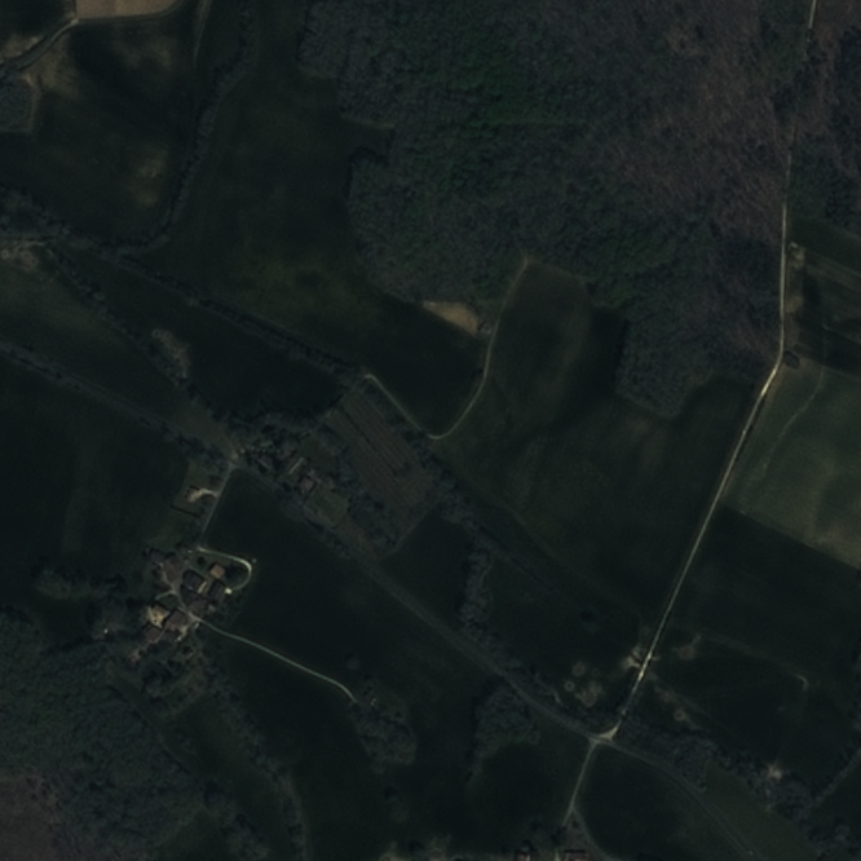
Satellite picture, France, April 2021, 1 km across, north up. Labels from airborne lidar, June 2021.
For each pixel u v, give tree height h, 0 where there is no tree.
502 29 18
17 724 17
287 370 0
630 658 0
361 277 0
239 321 12
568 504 0
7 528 0
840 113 17
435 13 23
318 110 0
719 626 0
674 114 17
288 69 0
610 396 0
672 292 23
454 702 0
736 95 19
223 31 0
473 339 0
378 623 0
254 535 0
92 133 0
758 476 0
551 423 0
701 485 0
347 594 0
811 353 0
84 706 20
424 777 0
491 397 0
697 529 0
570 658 0
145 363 0
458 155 12
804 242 0
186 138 0
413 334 0
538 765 0
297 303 0
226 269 0
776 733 0
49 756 15
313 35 16
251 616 0
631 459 0
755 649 0
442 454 0
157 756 21
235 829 17
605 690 0
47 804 9
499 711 25
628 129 21
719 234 24
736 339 21
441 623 0
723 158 14
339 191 0
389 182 19
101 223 0
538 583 0
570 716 14
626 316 18
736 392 0
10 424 0
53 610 0
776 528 0
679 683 0
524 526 0
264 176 0
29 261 0
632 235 21
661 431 0
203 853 0
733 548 0
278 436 11
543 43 16
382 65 16
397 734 24
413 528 9
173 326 0
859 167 16
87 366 0
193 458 22
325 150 0
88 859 14
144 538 0
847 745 0
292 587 0
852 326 0
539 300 0
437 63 25
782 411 0
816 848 14
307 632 0
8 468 0
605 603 0
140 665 8
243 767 0
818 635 0
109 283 0
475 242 20
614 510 0
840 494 0
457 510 20
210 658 16
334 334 0
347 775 0
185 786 17
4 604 0
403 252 18
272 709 0
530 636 0
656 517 0
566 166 16
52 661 14
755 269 16
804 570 0
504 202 23
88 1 0
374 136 0
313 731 0
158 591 10
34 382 0
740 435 0
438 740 0
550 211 19
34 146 0
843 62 17
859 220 13
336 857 0
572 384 0
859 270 0
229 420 9
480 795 0
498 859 0
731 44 14
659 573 0
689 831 0
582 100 19
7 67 8
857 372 0
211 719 0
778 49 18
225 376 0
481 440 0
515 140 15
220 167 0
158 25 0
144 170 0
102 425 0
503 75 21
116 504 0
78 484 0
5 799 0
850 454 0
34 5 0
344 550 16
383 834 0
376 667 0
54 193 0
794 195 22
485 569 14
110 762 18
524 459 0
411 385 0
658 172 18
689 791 0
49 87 0
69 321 0
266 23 0
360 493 20
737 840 0
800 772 0
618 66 17
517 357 0
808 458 0
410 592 0
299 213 0
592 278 23
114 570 0
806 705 0
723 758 15
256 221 0
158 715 12
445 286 21
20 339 0
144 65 0
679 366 24
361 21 17
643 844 0
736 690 0
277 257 0
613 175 19
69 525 0
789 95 11
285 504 18
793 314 0
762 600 0
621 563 0
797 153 20
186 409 0
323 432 23
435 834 0
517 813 0
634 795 0
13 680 17
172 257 0
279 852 0
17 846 0
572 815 0
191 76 0
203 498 7
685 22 19
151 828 16
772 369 17
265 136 0
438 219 17
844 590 0
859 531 0
